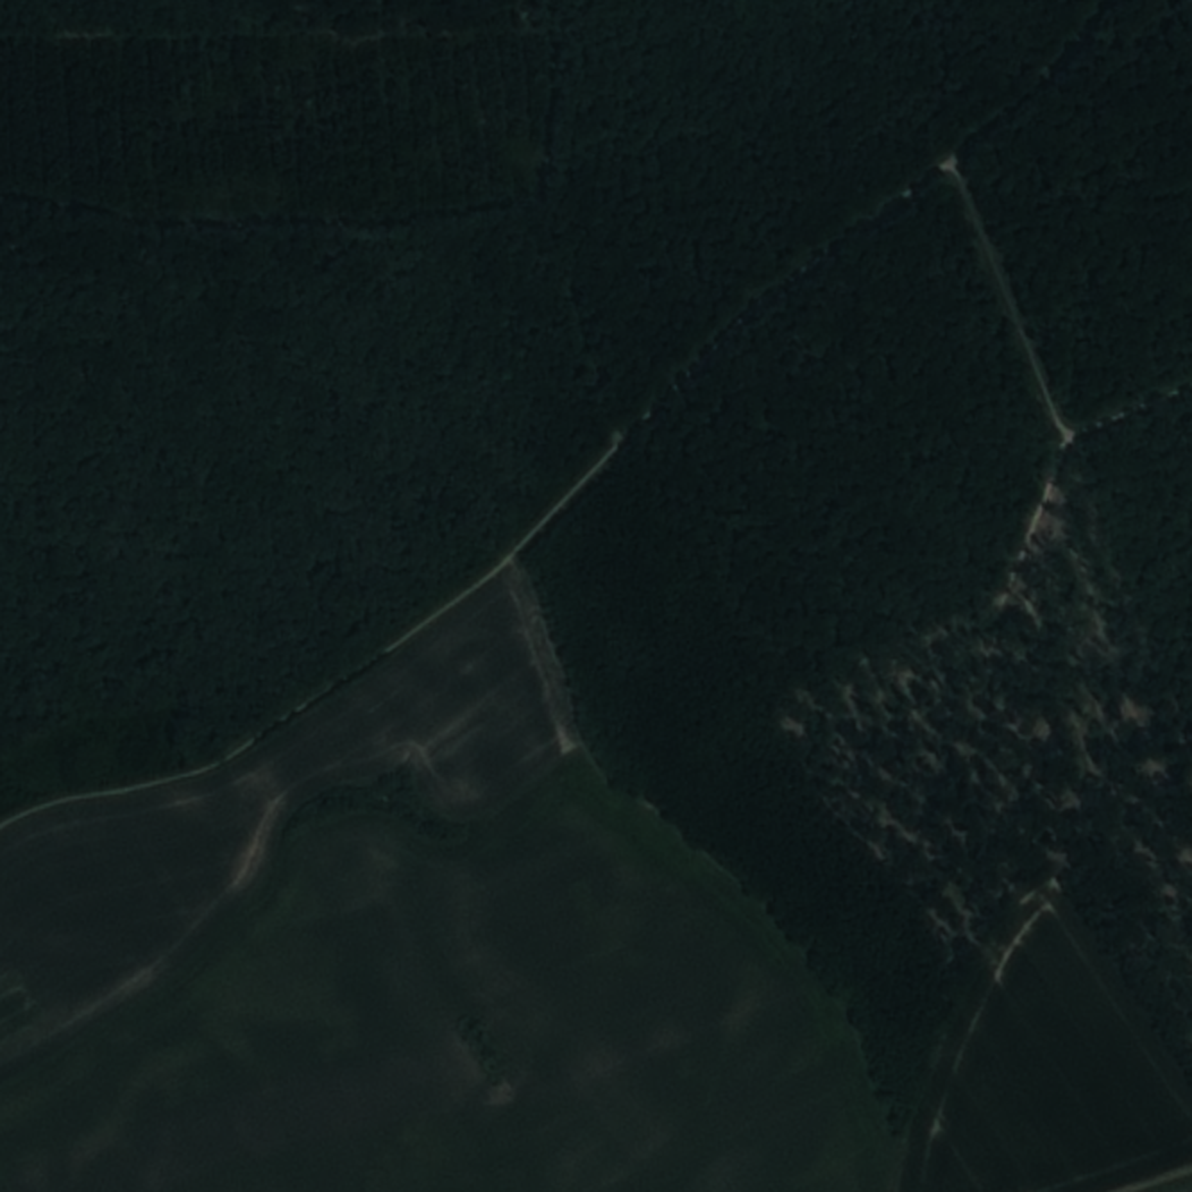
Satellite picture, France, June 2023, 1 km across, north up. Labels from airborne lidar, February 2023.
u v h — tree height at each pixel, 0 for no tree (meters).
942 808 33
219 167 6
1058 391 16
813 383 30
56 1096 0
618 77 24
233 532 21
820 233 26
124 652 24
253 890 0
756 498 27
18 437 22
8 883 0
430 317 19
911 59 23
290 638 21
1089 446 27
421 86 16
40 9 28
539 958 0
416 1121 0
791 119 25
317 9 27
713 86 22
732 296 26
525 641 0
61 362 23
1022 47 27
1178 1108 0
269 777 0
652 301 28
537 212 22
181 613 25
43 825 0
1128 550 23
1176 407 22
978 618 27
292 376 22
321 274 21
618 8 25
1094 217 30
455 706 0
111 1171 0
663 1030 0
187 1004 0
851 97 27
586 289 25
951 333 28
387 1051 0
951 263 27
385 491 20
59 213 24
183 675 23
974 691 31
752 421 28
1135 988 19
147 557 24
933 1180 0
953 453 26
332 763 0
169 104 11
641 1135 0
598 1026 0
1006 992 0
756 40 24
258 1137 0
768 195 25
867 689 28
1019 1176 0
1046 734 0
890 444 26
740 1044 0
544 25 24
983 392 26
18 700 24
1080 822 26
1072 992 0
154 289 22
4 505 20
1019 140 29
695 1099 0
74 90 12
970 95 28
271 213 0
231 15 29
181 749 19
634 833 0
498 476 20
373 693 0
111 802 0
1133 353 25
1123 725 38
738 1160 0
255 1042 0
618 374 23
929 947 19
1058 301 27
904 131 25
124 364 21
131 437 23
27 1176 0
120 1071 0
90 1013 0
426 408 17
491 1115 0
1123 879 28
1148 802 30
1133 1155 0
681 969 0
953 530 22
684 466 26
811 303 26
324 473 20
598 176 24
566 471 16
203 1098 0
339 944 0
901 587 25
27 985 0
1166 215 31
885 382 26
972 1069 0
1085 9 23
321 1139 0
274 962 0
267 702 19
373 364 19
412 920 0
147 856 0
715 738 18
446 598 10
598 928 0
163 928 0
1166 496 25
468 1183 0
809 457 26
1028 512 18
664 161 24
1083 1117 0
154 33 24
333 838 0
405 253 25
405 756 0
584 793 0
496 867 0
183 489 23
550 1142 0
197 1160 0
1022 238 27
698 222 26
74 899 0
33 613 25
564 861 0
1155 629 27
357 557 22
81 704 20
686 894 0
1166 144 29
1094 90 29
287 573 21
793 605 23
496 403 20
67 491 22
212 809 0
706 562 25
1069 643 30
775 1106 0
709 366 25
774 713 24
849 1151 0
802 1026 0
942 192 28
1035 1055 0
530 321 22
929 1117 0
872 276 25
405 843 0
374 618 19
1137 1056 0
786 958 0
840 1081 0
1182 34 32
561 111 22
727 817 18
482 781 0
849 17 21
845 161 29
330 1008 0
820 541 26
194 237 25
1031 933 0
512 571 0
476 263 19
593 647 13
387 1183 0
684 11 25
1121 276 29
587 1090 0
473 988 0
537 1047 0
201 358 23
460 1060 0
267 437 25
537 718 0
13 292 24
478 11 28
